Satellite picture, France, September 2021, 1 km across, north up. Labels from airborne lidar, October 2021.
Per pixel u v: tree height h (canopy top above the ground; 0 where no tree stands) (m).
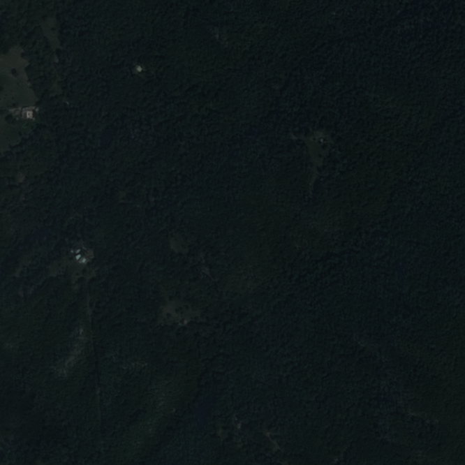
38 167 26
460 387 21
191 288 23
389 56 21
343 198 26
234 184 20
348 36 19
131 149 19
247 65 22
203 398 18
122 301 20
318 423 20
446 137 14
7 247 21
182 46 20
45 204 28
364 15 26
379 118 24
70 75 20
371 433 30
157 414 13
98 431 20
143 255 27
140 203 23
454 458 22
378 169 27
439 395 24
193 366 29
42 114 17
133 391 28
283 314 25
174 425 25
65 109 19
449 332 25
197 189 24
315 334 21
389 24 17
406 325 11
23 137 7
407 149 19
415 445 17
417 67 14
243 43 16
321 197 22
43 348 26
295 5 21
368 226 25
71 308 25
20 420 23
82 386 26
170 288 12
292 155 23
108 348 16
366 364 33
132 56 20
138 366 10
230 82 25
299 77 30
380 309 19
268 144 22
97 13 22
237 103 17
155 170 27
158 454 17
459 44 18
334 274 32
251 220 29
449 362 17
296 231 22
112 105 23
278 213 25
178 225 19
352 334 20
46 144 22
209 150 32
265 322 29
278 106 26
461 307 19
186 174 30
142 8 16
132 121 22
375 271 27
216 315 16
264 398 22
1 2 22
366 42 21
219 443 19
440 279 21
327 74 29
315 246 18
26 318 16
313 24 21
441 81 14
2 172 24
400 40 14
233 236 21
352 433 30
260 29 13
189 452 16
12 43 23
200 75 19
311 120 24
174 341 24
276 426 20
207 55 26
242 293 15
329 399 22
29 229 17
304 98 22
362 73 18
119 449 13
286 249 26
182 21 23
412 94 22
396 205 26
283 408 21
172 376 18
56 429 23
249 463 16
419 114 20
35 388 31
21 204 25
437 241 23
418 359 20
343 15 29
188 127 22
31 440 18
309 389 20
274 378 16
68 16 26
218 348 23
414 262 24
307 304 29
